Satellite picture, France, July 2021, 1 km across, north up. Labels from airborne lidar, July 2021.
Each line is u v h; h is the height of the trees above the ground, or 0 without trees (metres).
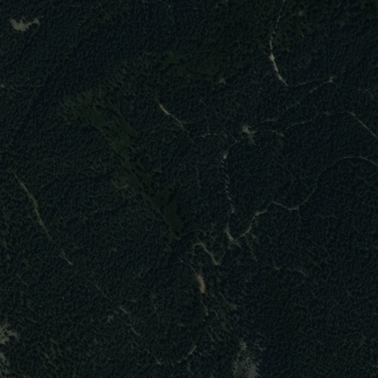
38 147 11
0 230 19
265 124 12
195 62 10
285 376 15
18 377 21
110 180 26
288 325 14
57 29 24
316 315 37
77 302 29
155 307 12
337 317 21
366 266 31
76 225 29
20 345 24
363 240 33
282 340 22
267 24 20
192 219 22
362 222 31
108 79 10
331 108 13
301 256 10
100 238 28
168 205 7
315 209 10
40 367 24
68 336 6
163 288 27
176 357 19
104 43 26
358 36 34
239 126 25
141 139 24
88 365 27
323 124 23
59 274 22
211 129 28
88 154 17
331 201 30
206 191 25
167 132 23
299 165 23
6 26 28
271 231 14
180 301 24
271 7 10
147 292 10
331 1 17
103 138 28
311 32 7
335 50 21
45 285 31
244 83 27
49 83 26
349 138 22
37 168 23
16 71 23
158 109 33
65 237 28
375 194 22
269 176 23
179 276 31
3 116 29
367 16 7
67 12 35
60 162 28
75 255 28
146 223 19
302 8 20
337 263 31
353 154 28
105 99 8
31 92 25
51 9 34
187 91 25
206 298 21
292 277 32
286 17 15
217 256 9
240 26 26
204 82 17
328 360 22
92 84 14
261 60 25
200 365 33
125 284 23
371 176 16
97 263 25
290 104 27
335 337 17
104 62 24
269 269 25
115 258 19
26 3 24
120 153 7
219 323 23
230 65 13
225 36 12
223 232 21
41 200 27
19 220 16
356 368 14
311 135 19
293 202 22
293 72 22
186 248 26
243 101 23
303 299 12
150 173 12
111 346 20
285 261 33
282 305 11
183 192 25
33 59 25
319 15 15
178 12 25
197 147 24
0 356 0
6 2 31
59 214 28
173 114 28
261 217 9
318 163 27
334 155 28
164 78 37
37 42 31
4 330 8
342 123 27
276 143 24
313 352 20
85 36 18
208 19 21
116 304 22
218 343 23
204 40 33
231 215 11
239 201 29
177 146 19
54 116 19
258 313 18
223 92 23
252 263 12
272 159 24
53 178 29
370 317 25
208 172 26
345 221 22
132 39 20
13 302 17
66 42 26
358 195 30
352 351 21
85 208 28
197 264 22
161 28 23
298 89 21
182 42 27
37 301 19
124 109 25
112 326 18
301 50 25
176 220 0
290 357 11
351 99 21
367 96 28
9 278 24
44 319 17
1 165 17
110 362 30
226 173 30
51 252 26
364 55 20
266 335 8
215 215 21
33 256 26
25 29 0
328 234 20
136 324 19
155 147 20
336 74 21
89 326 19
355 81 26
